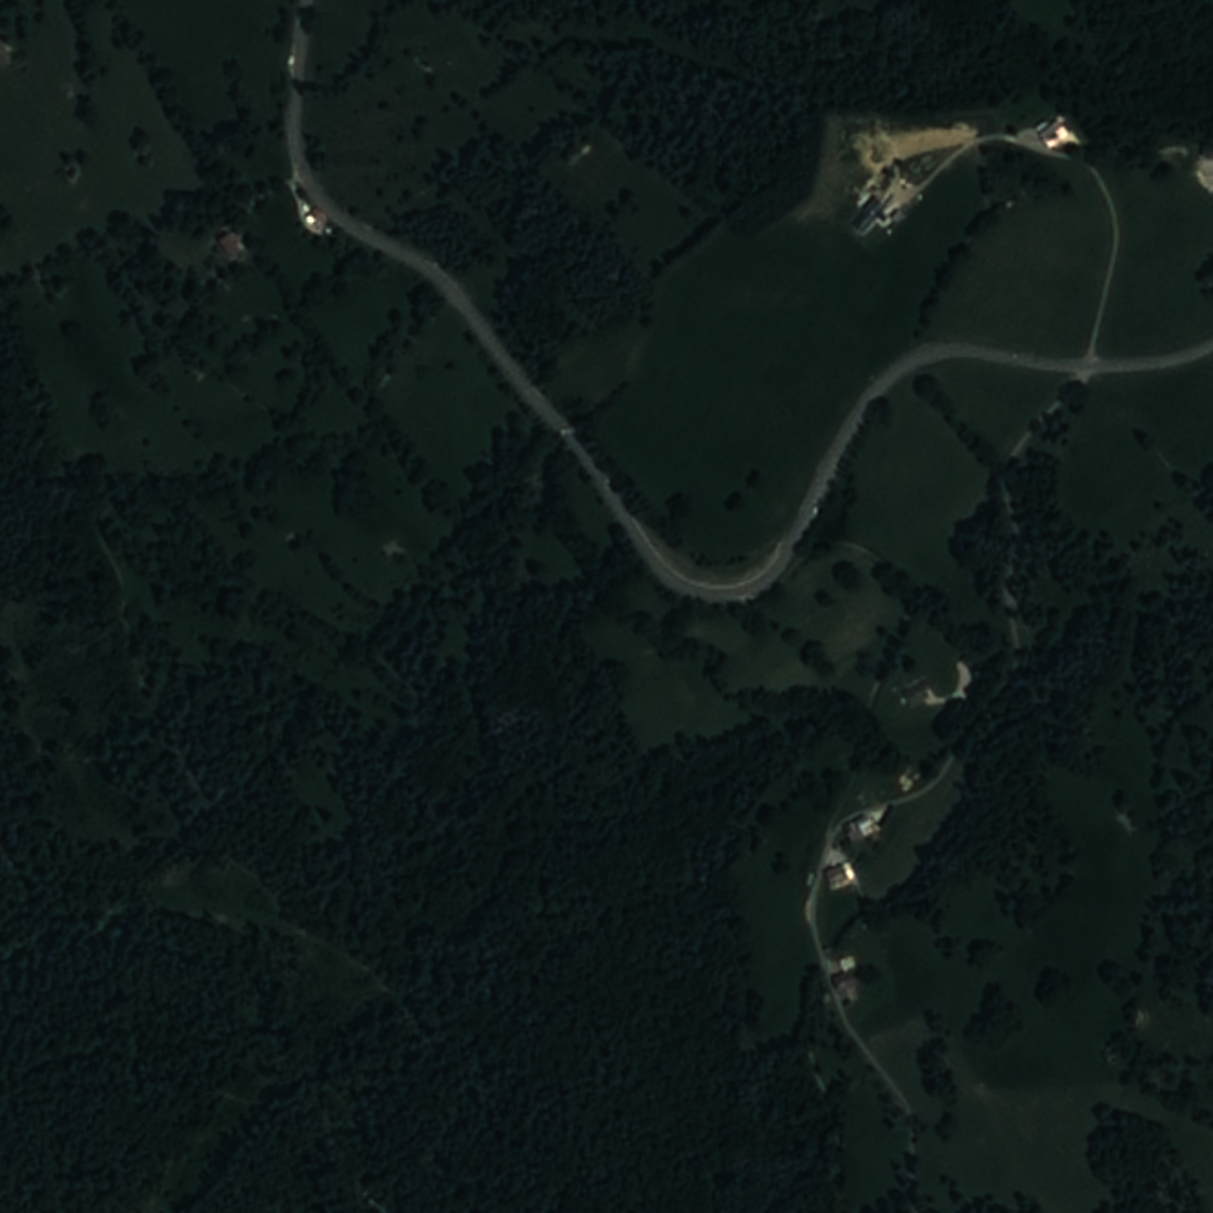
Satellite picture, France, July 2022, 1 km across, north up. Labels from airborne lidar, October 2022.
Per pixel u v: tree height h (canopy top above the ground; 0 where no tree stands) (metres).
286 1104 34
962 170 0
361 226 0
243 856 27
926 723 0
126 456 0
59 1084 21
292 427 17
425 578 11
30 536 26
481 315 0
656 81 17
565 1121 29
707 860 15
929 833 0
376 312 0
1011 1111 0
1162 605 12
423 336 11
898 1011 0
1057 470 15
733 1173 20
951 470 0
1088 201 0
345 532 0
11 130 0
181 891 0
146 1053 21
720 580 0
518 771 36
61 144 0
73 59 0
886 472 0
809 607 0
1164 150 0
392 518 0
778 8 24
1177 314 0
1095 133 14
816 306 0
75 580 20
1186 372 0
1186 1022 0
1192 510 0
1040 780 13
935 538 0
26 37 16
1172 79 20
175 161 0
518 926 33
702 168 13
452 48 0
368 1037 28
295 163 0
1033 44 9
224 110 0
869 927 12
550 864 22
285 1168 30
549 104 0
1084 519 0
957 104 8
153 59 11
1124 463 0
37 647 6
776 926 0
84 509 30
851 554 0
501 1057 25
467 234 17
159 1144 29
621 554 19
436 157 0
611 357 0
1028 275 0
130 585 0
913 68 17
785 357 0
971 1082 0
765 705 21
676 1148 28
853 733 19
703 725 0
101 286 0
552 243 24
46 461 9
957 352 0
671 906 22
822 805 17
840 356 0
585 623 23
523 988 32
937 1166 0
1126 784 0
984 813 19
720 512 0
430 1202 25
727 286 0
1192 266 0
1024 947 0
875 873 0
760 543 0
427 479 17
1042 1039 0
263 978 31
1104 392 0
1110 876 0
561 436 8
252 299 0
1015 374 0
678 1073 21
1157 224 0
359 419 0
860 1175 0
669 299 0
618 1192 27
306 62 0
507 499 18
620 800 14
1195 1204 10
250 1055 24
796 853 0
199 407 0
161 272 15
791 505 0
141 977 26
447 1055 31
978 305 0
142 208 0
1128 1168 23
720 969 24
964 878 22
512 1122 26
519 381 0
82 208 0
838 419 0
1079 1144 0
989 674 19
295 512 0
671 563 0
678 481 0
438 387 0
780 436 0
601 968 30
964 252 13
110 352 0
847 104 21
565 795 9
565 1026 24
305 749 29
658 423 0
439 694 26
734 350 0
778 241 0
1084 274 0
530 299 23
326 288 22
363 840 32
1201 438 0
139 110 0
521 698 29
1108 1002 0
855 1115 0
